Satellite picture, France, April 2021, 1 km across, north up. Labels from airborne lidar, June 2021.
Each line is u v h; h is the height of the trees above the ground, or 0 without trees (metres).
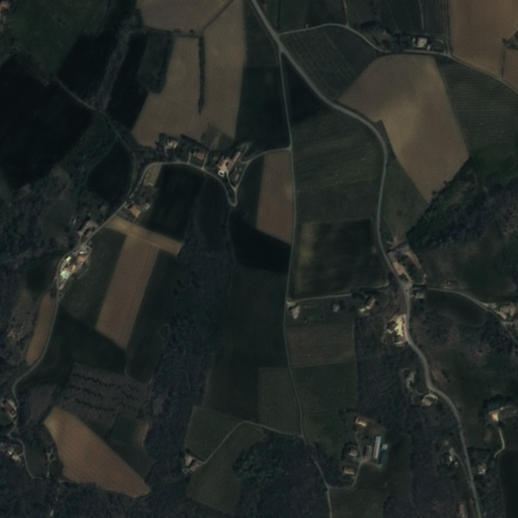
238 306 0
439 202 14
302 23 0
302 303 0
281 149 0
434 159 0
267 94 0
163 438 8
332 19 0
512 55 0
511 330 12
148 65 0
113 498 11
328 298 0
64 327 0
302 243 0
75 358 0
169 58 11
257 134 0
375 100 0
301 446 10
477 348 0
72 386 7
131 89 0
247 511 17
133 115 0
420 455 11
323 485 9
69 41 0
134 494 0
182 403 10
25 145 0
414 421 12
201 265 8
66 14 0
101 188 0
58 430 0
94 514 18
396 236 0
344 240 0
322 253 0
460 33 0
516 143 0
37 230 12
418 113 0
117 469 0
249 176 0
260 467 10
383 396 12
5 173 0
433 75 0
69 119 0
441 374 0
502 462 0
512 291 0
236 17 0
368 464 0
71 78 0
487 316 8
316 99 0
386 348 15
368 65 0
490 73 0
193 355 10
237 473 20
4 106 0
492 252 0
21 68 0
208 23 0
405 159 0
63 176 0
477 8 0
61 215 0
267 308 0
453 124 0
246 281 0
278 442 8
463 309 0
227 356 0
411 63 0
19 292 7
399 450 0
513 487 0
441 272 0
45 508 6
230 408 0
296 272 0
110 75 16
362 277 0
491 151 0
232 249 7
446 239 22
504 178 0
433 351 0
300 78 0
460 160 0
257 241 0
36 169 0
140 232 0
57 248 12
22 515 17
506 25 0
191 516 9
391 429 8
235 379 0
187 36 0
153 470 7
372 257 0
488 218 21
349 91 0
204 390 9
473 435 0
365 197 0
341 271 0
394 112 0
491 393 9
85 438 0
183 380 7
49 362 0
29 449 0
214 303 6
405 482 0
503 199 21
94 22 0
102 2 0
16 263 8
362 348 12
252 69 0
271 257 0
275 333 0
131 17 26
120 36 27
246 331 0
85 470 0
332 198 0
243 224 0
